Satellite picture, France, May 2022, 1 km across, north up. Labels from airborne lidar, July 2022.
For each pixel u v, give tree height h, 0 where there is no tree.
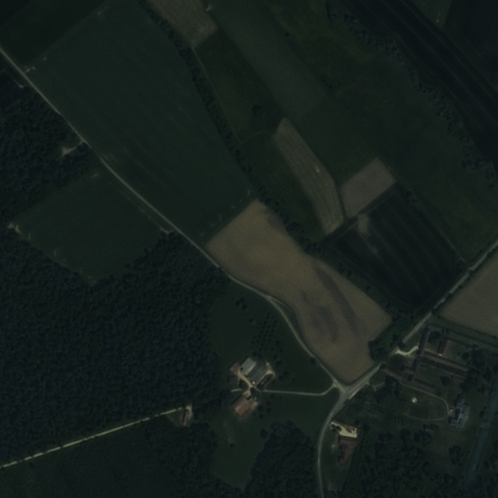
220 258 0
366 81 0
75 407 15
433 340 26
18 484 7
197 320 28
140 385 33
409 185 0
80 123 0
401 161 0
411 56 0
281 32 0
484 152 0
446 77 0
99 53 0
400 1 0
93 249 0
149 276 17
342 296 0
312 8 0
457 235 0
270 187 0
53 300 24
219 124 8
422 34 0
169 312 28
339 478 0
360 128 0
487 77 0
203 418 23
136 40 0
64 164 10
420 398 0
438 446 0
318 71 0
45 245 0
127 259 0
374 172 0
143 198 0
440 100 13
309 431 0
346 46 0
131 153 0
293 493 24
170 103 0
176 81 0
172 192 0
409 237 0
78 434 9
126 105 0
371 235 0
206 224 0
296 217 0
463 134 11
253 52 0
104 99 0
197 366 27
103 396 24
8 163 33
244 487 0
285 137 0
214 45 0
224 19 0
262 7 0
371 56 0
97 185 0
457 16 0
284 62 0
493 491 27
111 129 0
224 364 0
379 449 23
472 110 0
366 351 0
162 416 6
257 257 0
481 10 0
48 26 0
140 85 0
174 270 26
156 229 0
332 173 0
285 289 0
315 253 17
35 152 16
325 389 0
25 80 0
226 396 20
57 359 10
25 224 0
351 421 0
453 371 6
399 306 0
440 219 0
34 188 24
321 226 0
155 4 0
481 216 0
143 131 0
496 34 0
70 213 0
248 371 0
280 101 0
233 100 0
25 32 0
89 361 28
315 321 0
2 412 29
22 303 23
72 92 0
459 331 0
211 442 22
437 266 0
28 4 0
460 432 0
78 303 25
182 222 0
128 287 32
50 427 36
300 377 0
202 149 0
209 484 13
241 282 0
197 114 0
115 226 0
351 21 18
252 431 0
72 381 8
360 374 0
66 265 0
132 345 23
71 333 26
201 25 0
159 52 0
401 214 0
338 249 0
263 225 0
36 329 23
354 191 0
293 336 0
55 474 5
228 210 0
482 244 0
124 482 7
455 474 0
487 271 0
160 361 31
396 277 0
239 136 0
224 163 0
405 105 0
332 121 0
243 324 0
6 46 0
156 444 12
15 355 24
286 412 0
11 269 26
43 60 0
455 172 0
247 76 0
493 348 0
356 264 0
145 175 0
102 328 24
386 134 0
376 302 0
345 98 0
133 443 6
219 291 25
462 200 0
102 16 0
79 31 0
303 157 0
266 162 0
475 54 0
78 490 10
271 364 0
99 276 0
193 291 16
